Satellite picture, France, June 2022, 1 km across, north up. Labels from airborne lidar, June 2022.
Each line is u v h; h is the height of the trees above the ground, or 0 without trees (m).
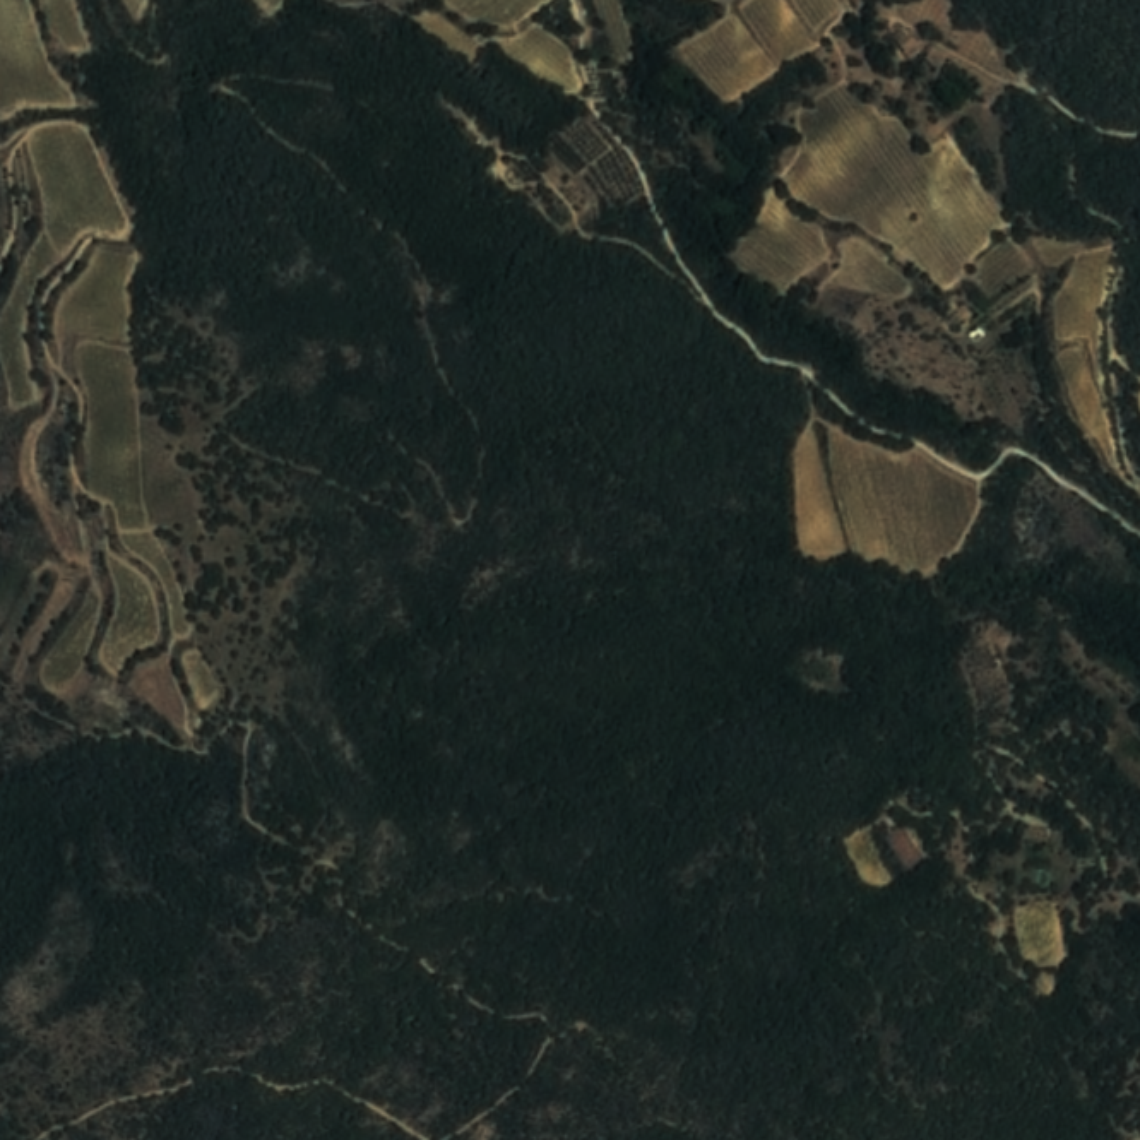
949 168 0
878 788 8
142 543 0
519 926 7
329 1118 9
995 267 0
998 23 11
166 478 0
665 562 11
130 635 0
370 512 9
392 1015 9
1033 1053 6
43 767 10
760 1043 11
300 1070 6
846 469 0
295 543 6
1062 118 10
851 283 0
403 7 6
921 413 9
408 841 5
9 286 9
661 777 12
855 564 14
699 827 9
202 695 0
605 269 8
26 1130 8
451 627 13
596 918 10
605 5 0
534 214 6
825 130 0
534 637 11
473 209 10
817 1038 11
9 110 0
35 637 0
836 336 6
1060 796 9
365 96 7
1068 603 13
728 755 11
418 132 8
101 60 6
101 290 0
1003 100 10
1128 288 7
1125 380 6
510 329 7
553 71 0
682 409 9
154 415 8
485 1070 9
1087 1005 7
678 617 10
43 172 0
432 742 7
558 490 10
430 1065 8
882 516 0
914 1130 7
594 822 7
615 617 6
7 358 0
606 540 6
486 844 6
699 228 17
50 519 0
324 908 7
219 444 7
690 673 12
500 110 16
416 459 6
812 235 0
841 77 0
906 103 8
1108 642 12
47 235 0
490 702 13
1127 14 8
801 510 0
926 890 7
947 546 0
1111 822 7
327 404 6
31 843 10
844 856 10
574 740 12
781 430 7
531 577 6
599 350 8
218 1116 6
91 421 0
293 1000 8
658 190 6
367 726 8
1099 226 11
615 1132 6
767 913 10
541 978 6
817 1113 6
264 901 6
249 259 9
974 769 8
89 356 0
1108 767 8
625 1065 6
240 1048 8
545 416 7
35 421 0
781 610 8
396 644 13
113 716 0
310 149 6
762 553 13
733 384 7
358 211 12
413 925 8
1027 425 6
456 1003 9
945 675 14
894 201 0
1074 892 6
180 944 9
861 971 10
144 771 10
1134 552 12
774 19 0
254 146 8
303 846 7
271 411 9
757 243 0
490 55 13
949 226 0
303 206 8
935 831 7
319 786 9
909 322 8
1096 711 9
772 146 15
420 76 8
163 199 6
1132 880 8
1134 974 7
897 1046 7
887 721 14
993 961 9
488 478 7
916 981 8
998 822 6
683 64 0
